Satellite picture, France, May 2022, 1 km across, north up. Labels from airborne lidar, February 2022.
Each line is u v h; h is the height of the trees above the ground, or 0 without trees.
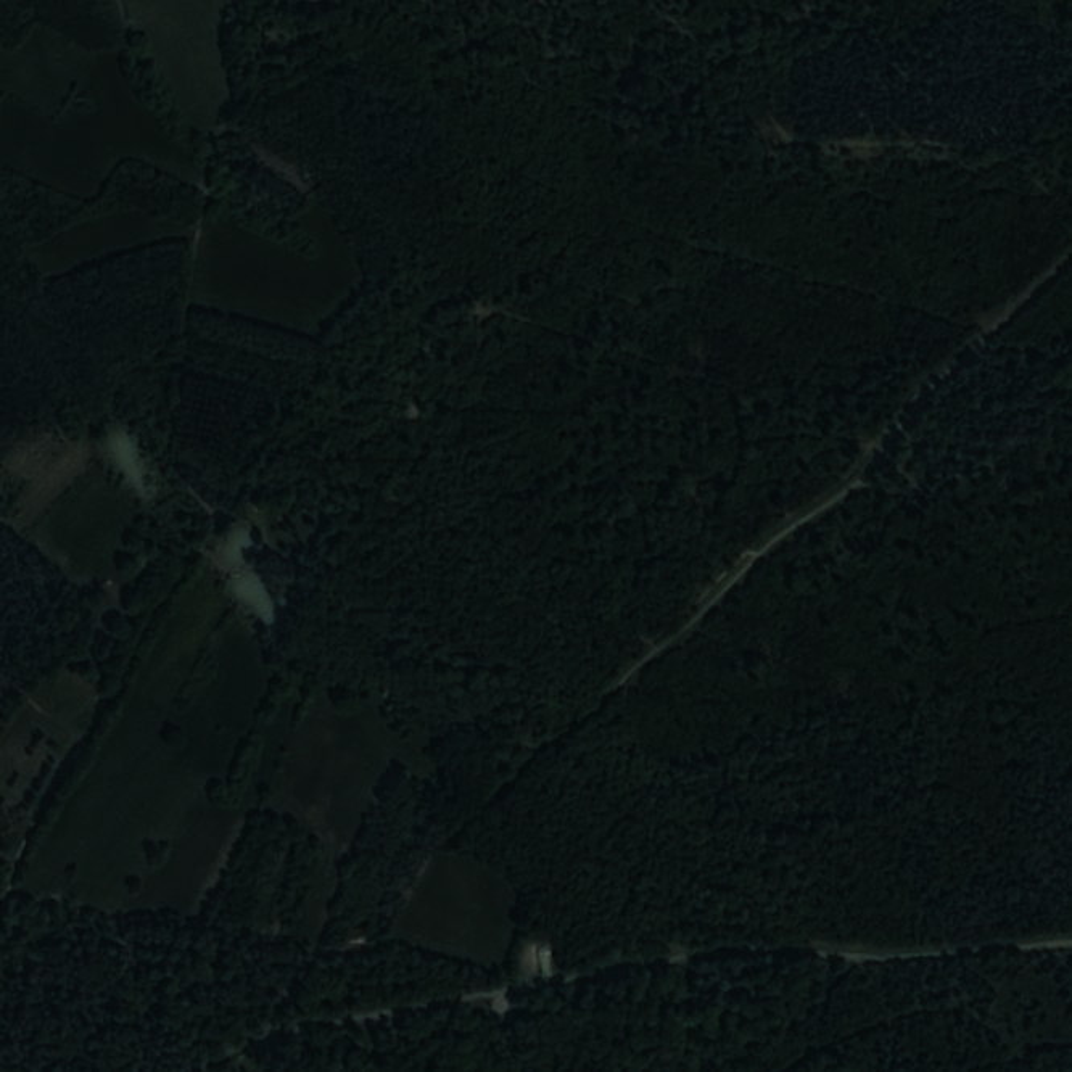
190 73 0
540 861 18
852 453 30
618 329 26
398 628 22
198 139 18
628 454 25
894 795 21
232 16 9
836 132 27
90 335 16
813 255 14
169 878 0
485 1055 27
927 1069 15
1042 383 22
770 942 22
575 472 24
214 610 0
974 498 12
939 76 28
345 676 19
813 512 0
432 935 0
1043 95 18
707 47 29
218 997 27
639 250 9
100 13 0
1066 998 14
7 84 0
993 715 30
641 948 23
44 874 0
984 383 15
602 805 20
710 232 9
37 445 0
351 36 27
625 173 15
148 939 15
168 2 0
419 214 12
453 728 20
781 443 9
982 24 23
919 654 33
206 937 24
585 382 25
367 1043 27
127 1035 30
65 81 0
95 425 11
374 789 0
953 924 21
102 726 17
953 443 18
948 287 10
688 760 11
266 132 13
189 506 16
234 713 0
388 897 22
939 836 24
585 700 19
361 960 18
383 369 8
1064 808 25
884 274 10
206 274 0
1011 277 16
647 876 20
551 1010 22
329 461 29
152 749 0
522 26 0
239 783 11
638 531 25
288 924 10
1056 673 19
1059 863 14
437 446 14
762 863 22
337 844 0
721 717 8
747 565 0
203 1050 27
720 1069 29
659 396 14
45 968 27
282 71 24
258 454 20
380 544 18
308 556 14
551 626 21
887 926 13
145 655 17
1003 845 18
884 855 10
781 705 9
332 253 0
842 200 7
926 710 18
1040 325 11
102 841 0
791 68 27
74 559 0
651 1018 25
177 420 27
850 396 25
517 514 26
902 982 16
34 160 0
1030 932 17
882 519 13
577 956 15
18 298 18
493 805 17
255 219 14
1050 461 29
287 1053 24
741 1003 27
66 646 26
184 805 0
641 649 19
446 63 29
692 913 20
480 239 11
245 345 9
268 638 22
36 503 0
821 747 21
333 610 21
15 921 24
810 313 13
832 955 0
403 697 20
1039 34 24
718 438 25
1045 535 29
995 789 15
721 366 14
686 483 24
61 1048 31
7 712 21
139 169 5
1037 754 21
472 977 23
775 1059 7
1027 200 7
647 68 26
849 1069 24
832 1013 14
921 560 32
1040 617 7
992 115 26
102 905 0
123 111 0
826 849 21
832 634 6
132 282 16
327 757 0
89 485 0
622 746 22
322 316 0
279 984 28
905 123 25
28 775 0
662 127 27
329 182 14
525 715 28
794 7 9
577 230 8
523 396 8
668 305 8
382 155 7
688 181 9
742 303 10
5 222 13
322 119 12
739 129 24
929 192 11
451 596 24
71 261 0
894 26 12
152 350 17
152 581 21
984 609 11
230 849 0
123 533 0
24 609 27
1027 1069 12
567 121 8
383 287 21
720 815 23
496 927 0
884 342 7
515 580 22
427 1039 28
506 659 19
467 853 12
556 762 20
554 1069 24
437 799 26
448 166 17
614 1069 26
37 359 16
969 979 13
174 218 9
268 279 0
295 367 12
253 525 0
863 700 12
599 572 26
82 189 0
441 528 20
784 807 20
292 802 0
